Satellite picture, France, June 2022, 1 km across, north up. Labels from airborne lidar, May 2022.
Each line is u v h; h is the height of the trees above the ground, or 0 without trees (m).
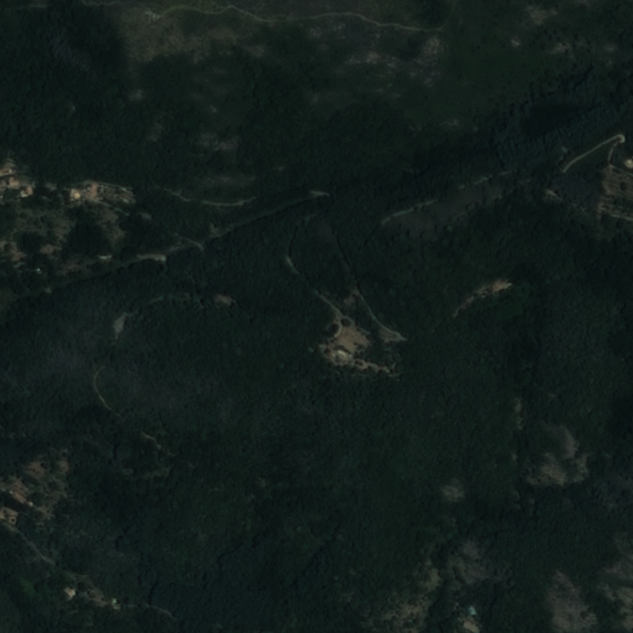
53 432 9
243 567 23
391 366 13
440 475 10
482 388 15
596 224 6
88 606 8
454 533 10
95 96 17
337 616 12
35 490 6
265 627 20
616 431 16
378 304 7
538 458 8
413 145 19
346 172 24
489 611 7
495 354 20
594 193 22
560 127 24
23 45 7
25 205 7
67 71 14
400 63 0
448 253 6
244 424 13
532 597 12
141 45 0
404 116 9
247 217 12
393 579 16
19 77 9
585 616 7
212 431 12
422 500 10
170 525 15
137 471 15
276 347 13
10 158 10
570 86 28
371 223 14
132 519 15
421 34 0
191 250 16
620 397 14
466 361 13
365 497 11
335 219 12
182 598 24
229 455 21
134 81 0
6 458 20
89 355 11
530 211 10
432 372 15
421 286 13
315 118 14
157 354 15
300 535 9
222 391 15
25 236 11
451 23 0
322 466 12
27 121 16
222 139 8
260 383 17
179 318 13
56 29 15
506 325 16
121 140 15
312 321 11
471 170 14
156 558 19
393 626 10
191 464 7
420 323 10
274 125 12
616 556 8
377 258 17
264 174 13
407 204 12
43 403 13
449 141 14
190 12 0
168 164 14
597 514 12
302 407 20
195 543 11
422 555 17
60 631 16
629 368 19
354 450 14
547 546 9
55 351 8
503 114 10
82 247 23
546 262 14
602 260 24
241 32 0
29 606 15
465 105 0
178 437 12
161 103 7
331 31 0
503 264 22
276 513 22
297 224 11
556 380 16
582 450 11
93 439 7
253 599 29
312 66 7
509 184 8
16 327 25
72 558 13
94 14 7
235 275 11
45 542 7
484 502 13
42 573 11
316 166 10
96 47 8
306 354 18
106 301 13
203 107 0
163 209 10
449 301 8
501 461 9
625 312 26
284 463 14
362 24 0
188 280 14
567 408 12
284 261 11
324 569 20
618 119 28
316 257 13
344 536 18
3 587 14
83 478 9
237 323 13
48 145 14
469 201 0
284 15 0
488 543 10
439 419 15
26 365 15
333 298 9
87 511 10
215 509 9
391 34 0
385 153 19
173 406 12
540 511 11
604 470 19
